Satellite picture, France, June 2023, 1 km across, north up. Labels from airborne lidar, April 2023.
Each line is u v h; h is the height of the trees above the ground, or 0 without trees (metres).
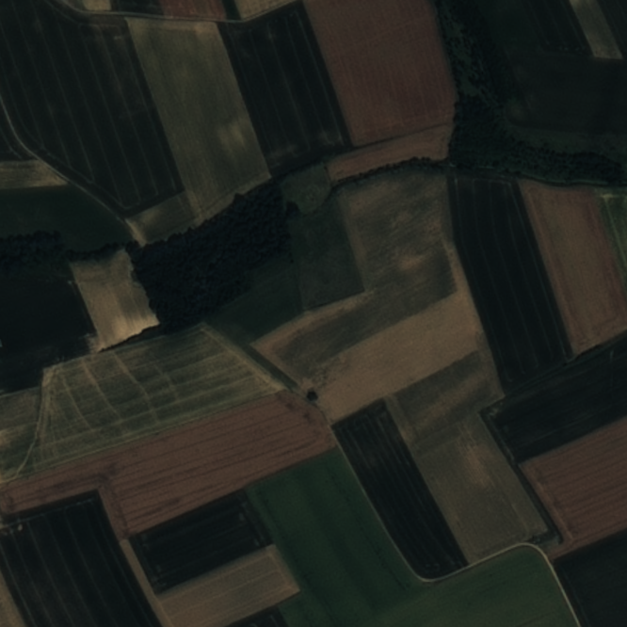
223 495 0
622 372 0
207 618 0
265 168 0
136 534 0
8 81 0
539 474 0
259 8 0
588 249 0
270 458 0
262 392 0
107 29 0
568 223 0
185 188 0
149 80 0
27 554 0
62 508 0
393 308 0
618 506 0
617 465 0
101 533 0
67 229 0
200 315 17
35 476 0
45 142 0
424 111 0
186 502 0
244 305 0
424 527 0
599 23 0
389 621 0
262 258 12
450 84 0
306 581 0
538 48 0
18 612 0
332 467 0
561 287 0
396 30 0
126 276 0
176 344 0
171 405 0
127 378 0
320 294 0
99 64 0
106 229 0
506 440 0
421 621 0
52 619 0
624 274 0
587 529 0
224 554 0
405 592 0
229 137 0
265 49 0
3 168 0
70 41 0
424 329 0
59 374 0
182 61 0
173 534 0
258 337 0
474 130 6
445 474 0
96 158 0
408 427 0
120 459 0
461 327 0
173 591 0
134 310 0
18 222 0
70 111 0
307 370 0
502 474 0
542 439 0
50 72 0
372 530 0
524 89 0
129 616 0
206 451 0
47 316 0
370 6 0
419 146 0
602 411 0
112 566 0
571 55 0
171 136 0
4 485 0
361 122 0
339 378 0
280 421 0
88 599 0
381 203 0
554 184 0
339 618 0
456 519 0
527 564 0
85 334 0
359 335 0
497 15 0
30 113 0
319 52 0
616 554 0
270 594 0
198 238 16
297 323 0
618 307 0
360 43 0
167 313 18
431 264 0
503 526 0
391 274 0
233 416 0
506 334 0
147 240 0
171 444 0
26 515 0
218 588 0
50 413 0
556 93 0
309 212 0
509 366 0
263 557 0
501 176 0
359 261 0
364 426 0
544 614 0
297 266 0
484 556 0
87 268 0
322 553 0
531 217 0
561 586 0
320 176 0
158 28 0
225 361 0
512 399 0
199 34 0
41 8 0
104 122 0
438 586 0
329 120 0
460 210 0
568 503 0
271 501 0
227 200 0
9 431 0
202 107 0
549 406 0
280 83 0
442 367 0
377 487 0
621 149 0
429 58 0
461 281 0
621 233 0
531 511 0
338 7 0
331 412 0
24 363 0
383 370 0
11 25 0
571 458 0
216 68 0
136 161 0
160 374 0
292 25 0
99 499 0
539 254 0
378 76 0
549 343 0
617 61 0
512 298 0
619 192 0
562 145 0
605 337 0
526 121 0
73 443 0
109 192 0
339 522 0
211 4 0
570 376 0
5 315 0
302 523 0
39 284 0
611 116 0
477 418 0
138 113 0
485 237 0
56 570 0
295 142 0
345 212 0
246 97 0
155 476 0
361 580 0
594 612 0
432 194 0
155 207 0
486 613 0
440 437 0
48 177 0
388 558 0
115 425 0
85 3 0
